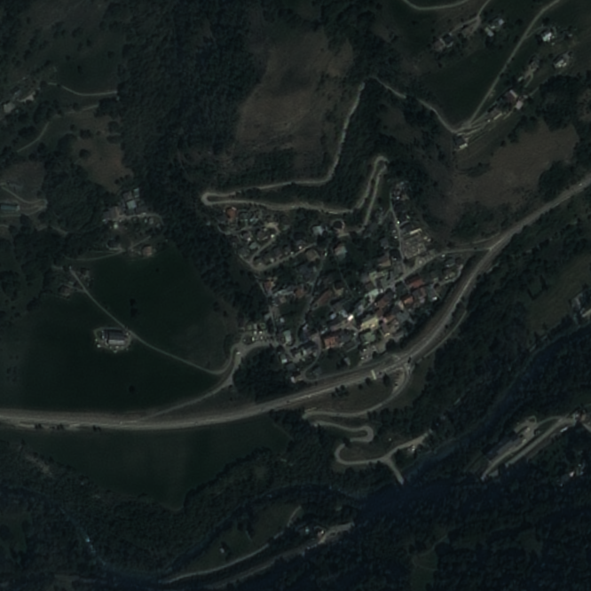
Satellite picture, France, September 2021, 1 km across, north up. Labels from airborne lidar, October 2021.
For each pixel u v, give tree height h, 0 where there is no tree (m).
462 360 29
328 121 12
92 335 0
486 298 14
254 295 7
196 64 10
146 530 23
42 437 0
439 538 0
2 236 0
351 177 15
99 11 0
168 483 0
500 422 14
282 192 7
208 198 0
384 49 19
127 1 11
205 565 0
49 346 0
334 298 0
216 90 16
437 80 0
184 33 27
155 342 0
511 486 29
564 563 19
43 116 19
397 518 28
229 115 13
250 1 7
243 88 12
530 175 0
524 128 19
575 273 0
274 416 9
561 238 12
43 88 12
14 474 24
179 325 0
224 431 0
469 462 12
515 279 8
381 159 0
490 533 12
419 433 21
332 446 15
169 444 0
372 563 16
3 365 0
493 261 9
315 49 0
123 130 11
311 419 0
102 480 0
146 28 16
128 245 0
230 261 14
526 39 0
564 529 21
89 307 0
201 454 0
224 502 24
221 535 16
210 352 0
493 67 0
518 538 8
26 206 0
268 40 0
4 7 18
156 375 0
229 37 24
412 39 0
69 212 12
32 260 23
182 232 13
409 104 13
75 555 16
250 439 0
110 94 0
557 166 11
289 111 0
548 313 0
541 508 20
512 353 19
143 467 0
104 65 0
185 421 0
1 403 0
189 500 14
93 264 0
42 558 17
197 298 0
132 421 0
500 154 0
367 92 18
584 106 9
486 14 9
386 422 12
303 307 0
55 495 19
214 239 16
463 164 0
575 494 14
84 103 0
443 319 0
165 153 18
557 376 16
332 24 13
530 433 0
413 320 14
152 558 8
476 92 0
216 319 0
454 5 0
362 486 22
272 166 10
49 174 9
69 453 0
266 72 0
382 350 0
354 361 0
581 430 12
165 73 29
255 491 20
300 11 0
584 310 15
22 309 0
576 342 18
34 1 13
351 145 21
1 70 10
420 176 15
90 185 14
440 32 0
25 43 0
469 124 0
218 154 14
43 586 13
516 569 16
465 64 0
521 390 12
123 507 11
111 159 0
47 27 0
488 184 0
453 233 7
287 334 0
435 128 11
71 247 16
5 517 16
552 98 24
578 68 0
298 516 0
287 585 15
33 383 0
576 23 0
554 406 19
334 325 0
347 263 8
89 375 0
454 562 20
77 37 16
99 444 0
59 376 0
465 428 20
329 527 10
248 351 0
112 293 0
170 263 0
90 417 0
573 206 6
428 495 8
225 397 0
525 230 9
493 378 30
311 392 0
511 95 0
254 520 25
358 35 21
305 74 0
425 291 0
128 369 0
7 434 0
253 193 10
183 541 22
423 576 0
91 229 11
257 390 24
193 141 11
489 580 28
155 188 31
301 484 13
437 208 0
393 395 0
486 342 28
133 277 0
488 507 12
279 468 20
